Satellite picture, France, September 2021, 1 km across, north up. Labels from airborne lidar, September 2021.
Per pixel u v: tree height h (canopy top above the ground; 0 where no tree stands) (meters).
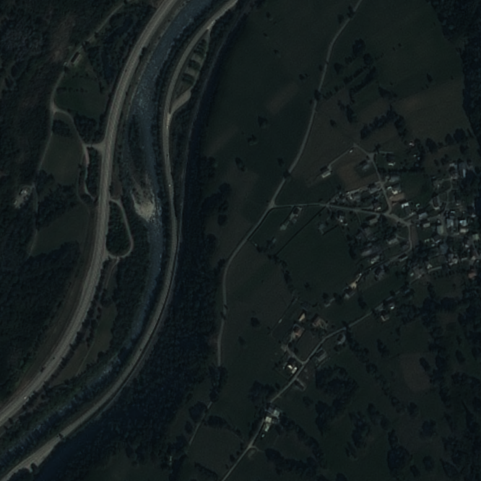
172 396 29
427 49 0
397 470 30
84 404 13
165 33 0
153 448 27
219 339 0
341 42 0
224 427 17
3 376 10
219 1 10
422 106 0
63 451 0
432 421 0
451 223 0
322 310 0
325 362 0
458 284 0
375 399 0
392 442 13
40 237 0
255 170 0
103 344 0
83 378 7
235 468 0
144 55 10
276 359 0
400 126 16
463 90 0
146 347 0
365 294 0
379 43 0
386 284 0
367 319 0
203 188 16
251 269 0
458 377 8
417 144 6
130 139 7
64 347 0
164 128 0
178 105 0
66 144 0
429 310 18
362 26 0
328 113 0
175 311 24
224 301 0
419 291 0
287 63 0
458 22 19
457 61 0
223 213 17
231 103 0
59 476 21
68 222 0
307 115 0
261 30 0
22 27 21
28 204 18
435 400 0
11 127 18
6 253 9
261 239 0
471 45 10
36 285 22
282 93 0
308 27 0
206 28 0
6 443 13
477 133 25
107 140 0
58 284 19
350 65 8
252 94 0
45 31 13
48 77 25
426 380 0
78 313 0
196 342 12
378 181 0
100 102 0
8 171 16
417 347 0
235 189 0
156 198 0
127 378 0
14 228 13
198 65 10
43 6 17
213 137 0
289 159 0
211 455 0
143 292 15
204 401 0
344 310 0
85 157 0
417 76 0
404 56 0
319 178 0
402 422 0
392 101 14
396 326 0
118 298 14
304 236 0
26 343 8
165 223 13
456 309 16
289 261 0
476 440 16
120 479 0
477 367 0
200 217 12
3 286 18
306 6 0
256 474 0
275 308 0
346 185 0
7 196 22
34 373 0
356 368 0
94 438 33
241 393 0
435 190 6
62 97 0
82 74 0
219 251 0
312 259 0
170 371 27
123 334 10
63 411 0
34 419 17
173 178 10
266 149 0
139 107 0
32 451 13
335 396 20
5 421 0
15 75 19
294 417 0
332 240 0
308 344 0
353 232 0
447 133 0
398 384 0
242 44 0
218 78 12
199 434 0
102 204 0
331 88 0
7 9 15
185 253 22
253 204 0
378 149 7
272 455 13
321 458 24
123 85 0
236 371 0
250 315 0
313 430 0
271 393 18
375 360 0
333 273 0
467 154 12
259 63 0
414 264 8
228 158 0
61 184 0
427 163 0
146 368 18
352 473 0
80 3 15
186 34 8
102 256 0
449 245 9
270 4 0
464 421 0
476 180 17
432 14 0
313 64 0
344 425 0
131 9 8
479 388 21
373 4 0
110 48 9
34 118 17
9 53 21
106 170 0
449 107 0
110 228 10
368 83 11
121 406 23
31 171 15
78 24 12
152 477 0
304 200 0
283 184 0
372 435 20
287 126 0
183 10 0
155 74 0
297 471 22
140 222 12
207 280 20
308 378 0
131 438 26
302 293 0
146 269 10
